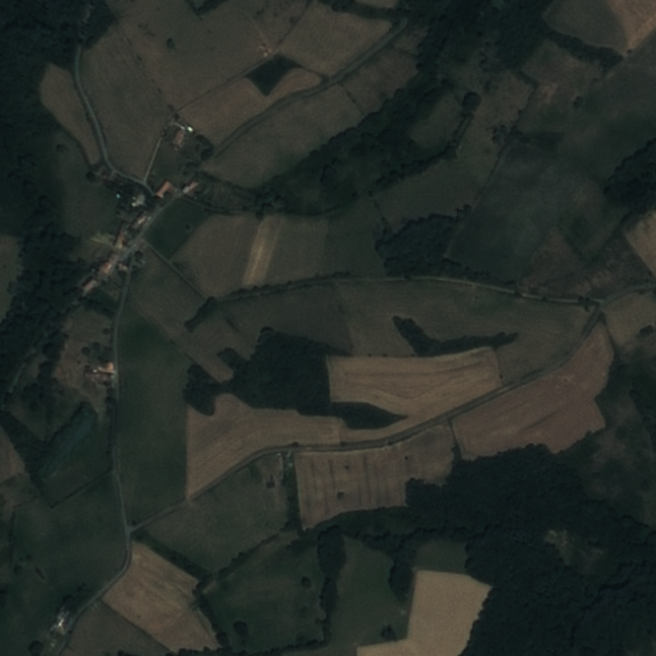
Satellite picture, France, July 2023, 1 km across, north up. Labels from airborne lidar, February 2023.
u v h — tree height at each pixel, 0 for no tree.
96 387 0
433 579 0
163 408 0
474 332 0
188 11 0
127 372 0
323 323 0
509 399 0
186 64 0
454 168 0
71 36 21
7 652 0
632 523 22
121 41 0
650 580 26
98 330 0
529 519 21
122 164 0
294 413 0
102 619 0
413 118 14
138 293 0
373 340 0
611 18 0
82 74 0
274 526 0
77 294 15
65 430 10
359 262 0
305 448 0
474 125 0
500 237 0
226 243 0
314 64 0
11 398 15
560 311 0
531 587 22
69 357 0
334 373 0
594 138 0
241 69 0
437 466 0
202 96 0
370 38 0
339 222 0
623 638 15
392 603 0
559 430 0
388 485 0
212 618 8
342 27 0
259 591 0
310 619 0
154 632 0
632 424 0
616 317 0
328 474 0
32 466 8
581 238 0
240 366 7
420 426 0
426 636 0
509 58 11
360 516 9
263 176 0
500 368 0
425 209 0
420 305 0
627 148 0
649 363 0
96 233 0
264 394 6
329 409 7
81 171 0
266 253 0
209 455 0
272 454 0
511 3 15
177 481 0
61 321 14
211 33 0
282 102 0
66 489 0
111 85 0
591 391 0
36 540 0
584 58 9
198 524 0
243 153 0
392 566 0
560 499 26
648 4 0
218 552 0
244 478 0
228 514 0
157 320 0
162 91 0
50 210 18
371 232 0
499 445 0
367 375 0
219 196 0
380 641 0
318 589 0
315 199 0
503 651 21
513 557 22
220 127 0
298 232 0
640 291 0
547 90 0
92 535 0
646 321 0
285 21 0
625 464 0
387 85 0
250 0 0
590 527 18
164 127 0
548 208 0
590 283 0
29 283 30
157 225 0
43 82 0
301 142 0
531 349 0
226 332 0
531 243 0
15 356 19
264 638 0
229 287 0
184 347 0
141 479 0
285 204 13
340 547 24
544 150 0
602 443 0
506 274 0
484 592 0
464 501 16
